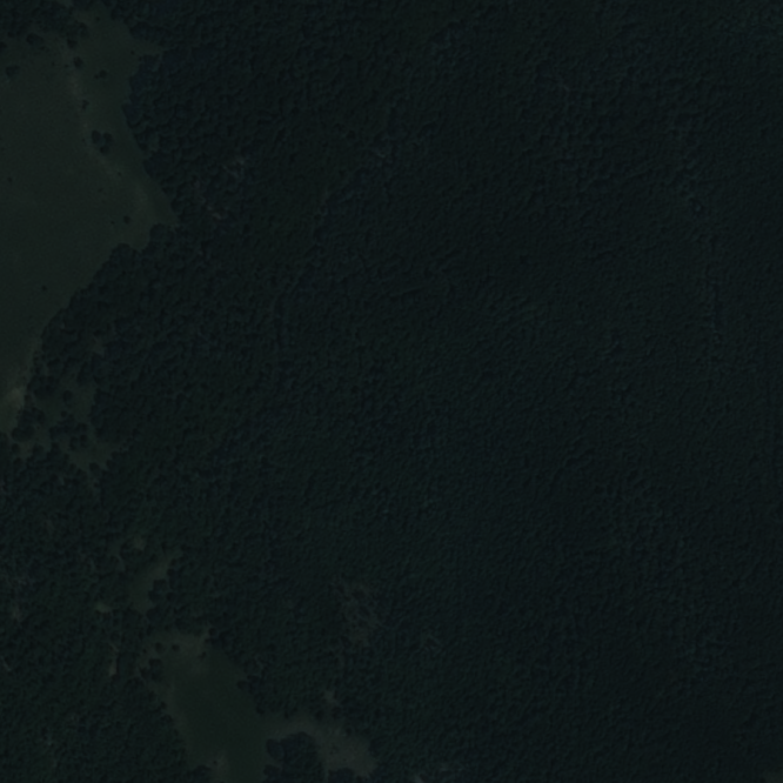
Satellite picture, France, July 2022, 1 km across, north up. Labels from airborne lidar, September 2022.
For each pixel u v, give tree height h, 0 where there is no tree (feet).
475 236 87
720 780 43
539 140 78
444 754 30
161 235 72
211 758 0
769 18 81
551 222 88
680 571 76
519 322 79
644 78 65
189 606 50
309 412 64
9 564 53
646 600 69
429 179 98
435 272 84
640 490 77
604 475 68
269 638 48
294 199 76
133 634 43
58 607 42
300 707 33
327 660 46
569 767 66
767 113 87
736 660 42
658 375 71
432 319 73
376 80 57
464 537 25
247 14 84
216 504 72
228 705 0
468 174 89
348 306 71
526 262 83
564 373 70
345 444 65
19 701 62
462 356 61
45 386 35
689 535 70
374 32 72
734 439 73
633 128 57
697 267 84
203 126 70
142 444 52
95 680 67
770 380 67
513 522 68
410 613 63
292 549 75
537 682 52
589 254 73
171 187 86
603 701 58
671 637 62
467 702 49
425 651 51
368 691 45
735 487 66
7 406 0
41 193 0
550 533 67
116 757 54
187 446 73
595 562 70
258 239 68
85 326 68
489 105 75
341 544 44
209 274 49
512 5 77
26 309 0
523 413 78
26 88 0
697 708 43
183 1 79
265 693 77
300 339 74
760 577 68
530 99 74
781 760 42
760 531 70
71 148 0
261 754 0
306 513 52
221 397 73
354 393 64
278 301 29
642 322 71
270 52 89
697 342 81
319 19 82
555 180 94
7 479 60
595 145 65
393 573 50
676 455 68
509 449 67
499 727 62
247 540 66
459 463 48
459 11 81
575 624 23
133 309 34
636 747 51
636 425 65
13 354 0
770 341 73
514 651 44
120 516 57
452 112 81
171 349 84
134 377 62
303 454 44
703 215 87
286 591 69
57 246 0
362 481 77
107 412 57
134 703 50
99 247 0
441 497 36
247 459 64
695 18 54
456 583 29
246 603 60
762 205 90
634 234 76
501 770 61
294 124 77
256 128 87
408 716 49
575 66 87
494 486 49
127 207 0
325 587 59
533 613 65
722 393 85
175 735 37
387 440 82
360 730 35
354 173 23
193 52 35
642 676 44
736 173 74
